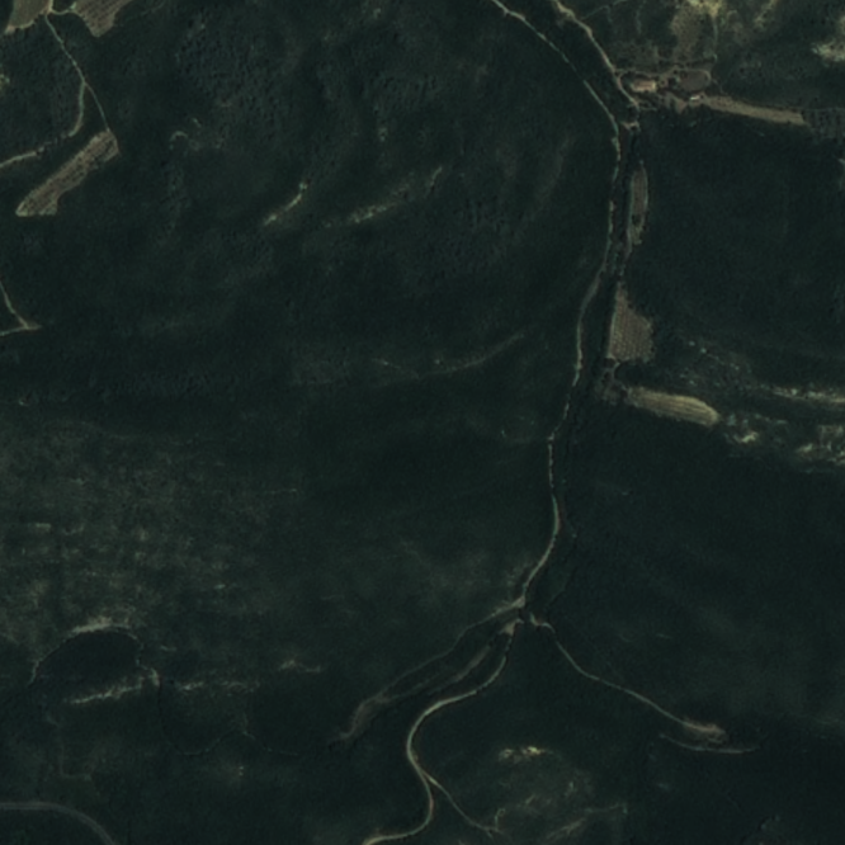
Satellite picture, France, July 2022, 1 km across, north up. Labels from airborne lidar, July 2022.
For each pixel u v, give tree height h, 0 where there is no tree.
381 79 14
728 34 0
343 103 6
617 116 9
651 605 6
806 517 7
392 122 10
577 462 7
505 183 6
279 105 12
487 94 7
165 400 7
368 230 7
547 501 7
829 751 6
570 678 13
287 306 7
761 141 6
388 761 7
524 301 6
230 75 12
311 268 7
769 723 8
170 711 9
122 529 7
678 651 6
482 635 8
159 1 9
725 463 6
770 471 7
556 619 8
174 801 6
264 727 7
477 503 6
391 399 6
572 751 5
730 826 8
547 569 9
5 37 7
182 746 10
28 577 5
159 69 9
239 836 8
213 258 7
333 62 7
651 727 6
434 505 7
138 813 7
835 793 6
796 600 5
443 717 5
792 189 6
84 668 9
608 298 9
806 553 7
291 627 6
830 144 6
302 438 6
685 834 7
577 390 8
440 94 6
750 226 5
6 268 7
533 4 9
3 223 6
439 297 7
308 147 7
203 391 13
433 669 8
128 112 7
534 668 6
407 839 10
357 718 0
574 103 6
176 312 6
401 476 8
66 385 6
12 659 9
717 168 6
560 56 9
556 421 7
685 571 6
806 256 6
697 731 0
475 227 12
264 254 12
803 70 7
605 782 7
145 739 7
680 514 6
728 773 7
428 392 8
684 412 0
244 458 6
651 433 5
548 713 6
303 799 7
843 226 7
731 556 6
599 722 8
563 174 6
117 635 10
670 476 5
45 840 6
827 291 5
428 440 8
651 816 7
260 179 0
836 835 11
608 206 6
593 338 7
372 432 6
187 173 7
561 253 7
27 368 6
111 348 6
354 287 6
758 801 9
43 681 6
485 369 5
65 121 7
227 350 7
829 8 9
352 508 6
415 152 8
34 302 10
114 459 6
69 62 7
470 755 6
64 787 0
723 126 6
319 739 8
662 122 9
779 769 7
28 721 6
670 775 6
